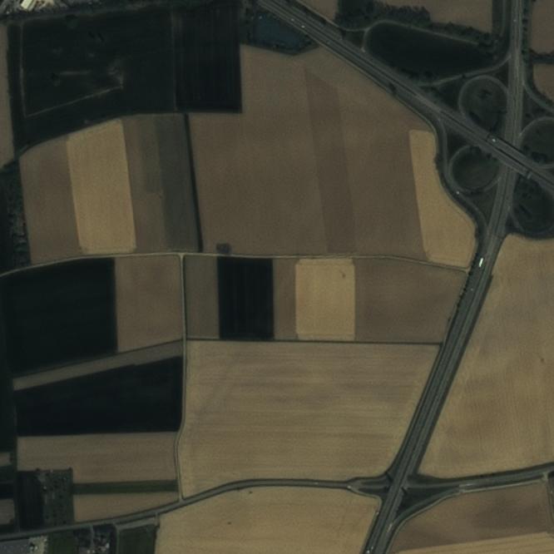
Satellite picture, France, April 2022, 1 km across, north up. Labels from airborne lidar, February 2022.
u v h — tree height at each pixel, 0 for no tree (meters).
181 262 0
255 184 0
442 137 0
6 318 0
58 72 0
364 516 0
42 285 0
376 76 0
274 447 0
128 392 0
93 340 0
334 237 0
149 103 0
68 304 0
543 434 0
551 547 0
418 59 0
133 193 0
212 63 0
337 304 0
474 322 0
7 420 0
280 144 0
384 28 0
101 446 0
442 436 0
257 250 0
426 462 0
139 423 0
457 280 0
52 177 0
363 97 0
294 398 0
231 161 0
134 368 0
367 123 0
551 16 0
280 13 0
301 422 0
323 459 0
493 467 0
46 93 0
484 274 0
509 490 0
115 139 0
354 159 0
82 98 0
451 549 0
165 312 0
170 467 0
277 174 0
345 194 0
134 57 0
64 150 0
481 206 0
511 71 0
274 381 0
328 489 0
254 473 0
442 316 0
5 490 0
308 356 0
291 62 0
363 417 0
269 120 0
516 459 0
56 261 0
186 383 0
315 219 0
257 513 0
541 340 0
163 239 0
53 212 0
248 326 0
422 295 0
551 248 0
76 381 0
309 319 0
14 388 0
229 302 0
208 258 0
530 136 0
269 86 0
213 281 0
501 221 0
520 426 0
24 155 0
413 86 0
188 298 0
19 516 0
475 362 0
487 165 0
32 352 0
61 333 0
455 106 0
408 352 0
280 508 0
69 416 0
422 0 0
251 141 0
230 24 0
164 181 0
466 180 0
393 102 0
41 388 0
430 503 0
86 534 12
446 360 0
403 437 0
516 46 0
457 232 0
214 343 0
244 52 0
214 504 0
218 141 0
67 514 0
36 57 0
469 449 0
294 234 0
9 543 0
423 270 0
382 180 0
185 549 0
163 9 0
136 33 0
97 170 0
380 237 0
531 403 0
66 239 0
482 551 0
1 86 0
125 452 0
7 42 0
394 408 0
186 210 0
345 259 0
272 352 0
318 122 0
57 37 0
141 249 0
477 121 11
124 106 0
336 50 0
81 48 0
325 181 0
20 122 0
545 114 11
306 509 0
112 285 0
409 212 0
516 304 0
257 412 0
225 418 0
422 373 0
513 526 0
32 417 0
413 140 0
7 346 0
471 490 0
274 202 0
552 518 0
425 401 0
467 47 0
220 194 0
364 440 0
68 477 0
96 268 0
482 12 0
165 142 0
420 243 0
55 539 0
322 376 0
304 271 0
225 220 0
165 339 0
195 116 0
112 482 0
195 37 0
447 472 0
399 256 0
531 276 0
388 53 0
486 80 0
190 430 0
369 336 0
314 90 0
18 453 0
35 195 0
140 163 0
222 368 0
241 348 0
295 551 0
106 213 0
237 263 0
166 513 0
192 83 0
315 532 0
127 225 0
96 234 0
